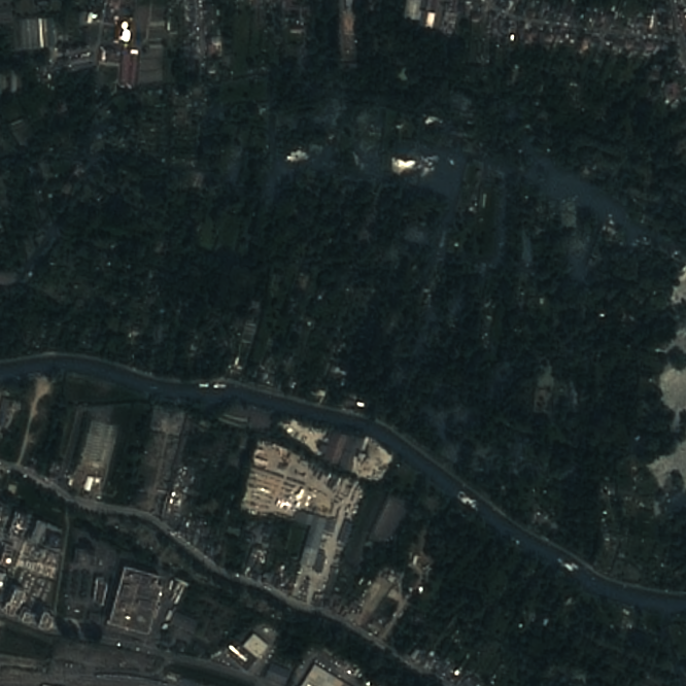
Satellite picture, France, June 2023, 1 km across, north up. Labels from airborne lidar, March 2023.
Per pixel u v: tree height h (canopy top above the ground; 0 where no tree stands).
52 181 9
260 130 0
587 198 0
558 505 7
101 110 0
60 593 0
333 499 0
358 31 13
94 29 0
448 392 16
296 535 0
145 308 0
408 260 15
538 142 14
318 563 0
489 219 0
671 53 11
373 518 0
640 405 7
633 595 0
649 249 7
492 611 15
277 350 14
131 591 0
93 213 24
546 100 12
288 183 11
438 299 12
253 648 0
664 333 18
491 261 0
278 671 0
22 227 16
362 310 6
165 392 0
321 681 0
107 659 0
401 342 8
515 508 7
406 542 11
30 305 14
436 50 20
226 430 8
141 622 0
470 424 13
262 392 0
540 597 10
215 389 0
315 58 16
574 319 14
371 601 0
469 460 18
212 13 0
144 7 0
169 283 8
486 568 9
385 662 6
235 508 13
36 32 0
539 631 13
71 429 0
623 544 0
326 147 0
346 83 7
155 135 0
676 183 8
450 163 0
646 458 17
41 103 0
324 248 13
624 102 9
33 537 0
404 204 18
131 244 15
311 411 0
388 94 15
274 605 10
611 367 7
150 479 0
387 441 0
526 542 0
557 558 0
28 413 0
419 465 0
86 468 0
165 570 11
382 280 18
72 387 0
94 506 0
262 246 16
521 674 13
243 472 9
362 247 14
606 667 19
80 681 0
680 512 12
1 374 0
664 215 14
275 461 0
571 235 7
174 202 7
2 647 0
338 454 0
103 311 9
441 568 17
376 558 11
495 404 10
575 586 9
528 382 18
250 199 8
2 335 11
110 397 0
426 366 14
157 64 0
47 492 10
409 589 7
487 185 0
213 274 22
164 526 0
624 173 9
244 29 0
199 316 12
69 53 0
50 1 8
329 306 9
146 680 0
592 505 22
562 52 7
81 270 6
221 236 0
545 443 8
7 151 0
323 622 19
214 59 18
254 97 0
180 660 0
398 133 7
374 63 17
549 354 8
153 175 10
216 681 0
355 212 11
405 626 12
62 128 21
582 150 13
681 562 8
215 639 0
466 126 12
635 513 0
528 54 9
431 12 0
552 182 0
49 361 0
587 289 21
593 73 11
